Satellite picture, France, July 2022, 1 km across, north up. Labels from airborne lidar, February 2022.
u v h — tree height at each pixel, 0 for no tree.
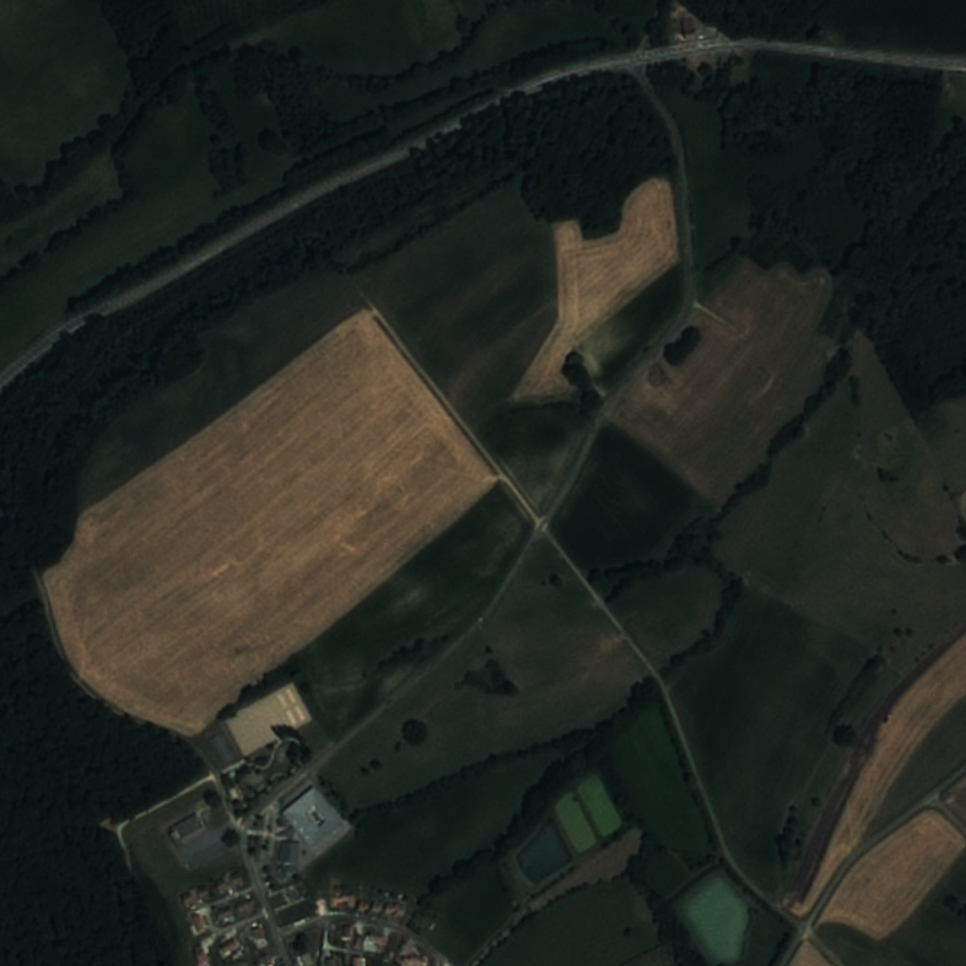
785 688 0
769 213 6
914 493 0
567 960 0
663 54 0
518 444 0
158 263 20
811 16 23
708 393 0
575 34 0
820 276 0
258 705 0
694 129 0
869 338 15
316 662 0
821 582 0
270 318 0
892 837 0
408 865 0
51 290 0
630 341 0
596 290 0
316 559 0
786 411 0
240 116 0
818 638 0
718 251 0
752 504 0
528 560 0
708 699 0
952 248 23
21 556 22
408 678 0
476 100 6
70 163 19
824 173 8
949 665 0
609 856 0
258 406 0
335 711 0
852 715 0
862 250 17
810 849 0
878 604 0
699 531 8
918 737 0
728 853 0
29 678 22
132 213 0
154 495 0
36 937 29
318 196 0
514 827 11
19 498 27
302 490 0
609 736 15
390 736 0
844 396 0
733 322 0
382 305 0
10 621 13
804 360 0
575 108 20
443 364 0
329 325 0
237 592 0
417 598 0
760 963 0
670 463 0
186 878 0
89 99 0
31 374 14
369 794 0
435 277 0
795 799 0
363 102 0
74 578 0
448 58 16
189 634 0
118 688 0
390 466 0
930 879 0
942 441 0
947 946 0
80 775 26
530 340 0
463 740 0
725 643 0
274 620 0
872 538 0
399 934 0
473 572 0
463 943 0
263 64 23
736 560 0
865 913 0
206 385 0
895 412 0
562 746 10
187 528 0
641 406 0
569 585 0
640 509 0
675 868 0
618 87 7
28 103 0
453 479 0
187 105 0
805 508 0
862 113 20
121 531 0
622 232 0
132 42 18
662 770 0
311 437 0
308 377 0
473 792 0
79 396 0
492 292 0
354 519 0
